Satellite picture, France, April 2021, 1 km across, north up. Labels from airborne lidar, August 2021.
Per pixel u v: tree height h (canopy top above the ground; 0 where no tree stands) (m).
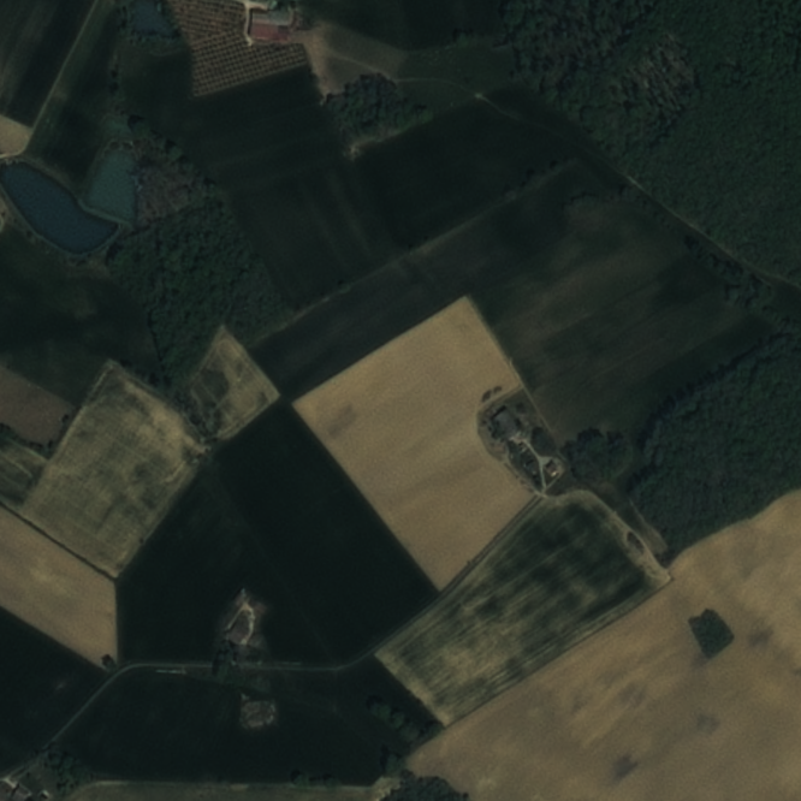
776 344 15
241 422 0
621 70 22
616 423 0
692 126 24
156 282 19
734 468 23
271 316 19
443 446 0
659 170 21
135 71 0
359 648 0
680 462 22
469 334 0
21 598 0
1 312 0
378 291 0
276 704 0
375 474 0
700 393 17
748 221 23
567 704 0
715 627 13
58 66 0
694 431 25
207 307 16
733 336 0
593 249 0
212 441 10
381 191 0
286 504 0
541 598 0
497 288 0
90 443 0
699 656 0
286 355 0
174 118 0
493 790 0
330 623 0
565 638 0
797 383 25
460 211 0
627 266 0
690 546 11
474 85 0
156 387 20
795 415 26
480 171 0
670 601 0
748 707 0
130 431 0
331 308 0
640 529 0
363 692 0
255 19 0
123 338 0
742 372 15
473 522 0
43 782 0
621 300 0
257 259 11
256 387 0
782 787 0
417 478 0
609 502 0
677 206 19
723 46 26
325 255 0
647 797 0
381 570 0
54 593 0
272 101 0
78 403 0
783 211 22
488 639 0
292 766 0
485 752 0
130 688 0
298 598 0
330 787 13
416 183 0
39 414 0
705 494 16
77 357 0
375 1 0
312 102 0
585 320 0
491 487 0
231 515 0
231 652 8
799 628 0
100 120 0
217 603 0
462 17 0
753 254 22
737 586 0
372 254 0
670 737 0
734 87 22
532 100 0
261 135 0
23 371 0
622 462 27
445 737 0
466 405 0
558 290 0
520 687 0
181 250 21
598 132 25
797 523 0
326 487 0
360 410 0
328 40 0
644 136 12
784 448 22
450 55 0
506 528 0
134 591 0
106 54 0
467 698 0
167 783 0
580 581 0
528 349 0
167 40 9
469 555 0
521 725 0
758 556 0
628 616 0
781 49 24
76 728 0
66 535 0
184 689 0
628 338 0
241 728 0
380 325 0
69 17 0
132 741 0
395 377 0
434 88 0
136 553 0
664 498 19
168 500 0
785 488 19
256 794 0
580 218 0
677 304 0
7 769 0
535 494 0
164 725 0
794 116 25
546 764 0
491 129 0
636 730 0
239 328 16
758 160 21
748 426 22
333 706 0
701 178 25
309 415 0
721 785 0
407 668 0
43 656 0
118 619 0
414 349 0
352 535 0
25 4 0
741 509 18
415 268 0
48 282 0
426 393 0
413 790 8
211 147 0
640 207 8
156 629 0
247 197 0
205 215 12
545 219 0
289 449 0
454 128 0
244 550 0
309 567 0
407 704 0
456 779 0
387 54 0
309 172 0
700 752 0
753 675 0
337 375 0
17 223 6
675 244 0
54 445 11
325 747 0
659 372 0
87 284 0
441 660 0
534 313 0
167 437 0
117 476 0
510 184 0
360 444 0
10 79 0
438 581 0
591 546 0
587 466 19
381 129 19
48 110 0
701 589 0
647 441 16
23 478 0
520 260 0
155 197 22
